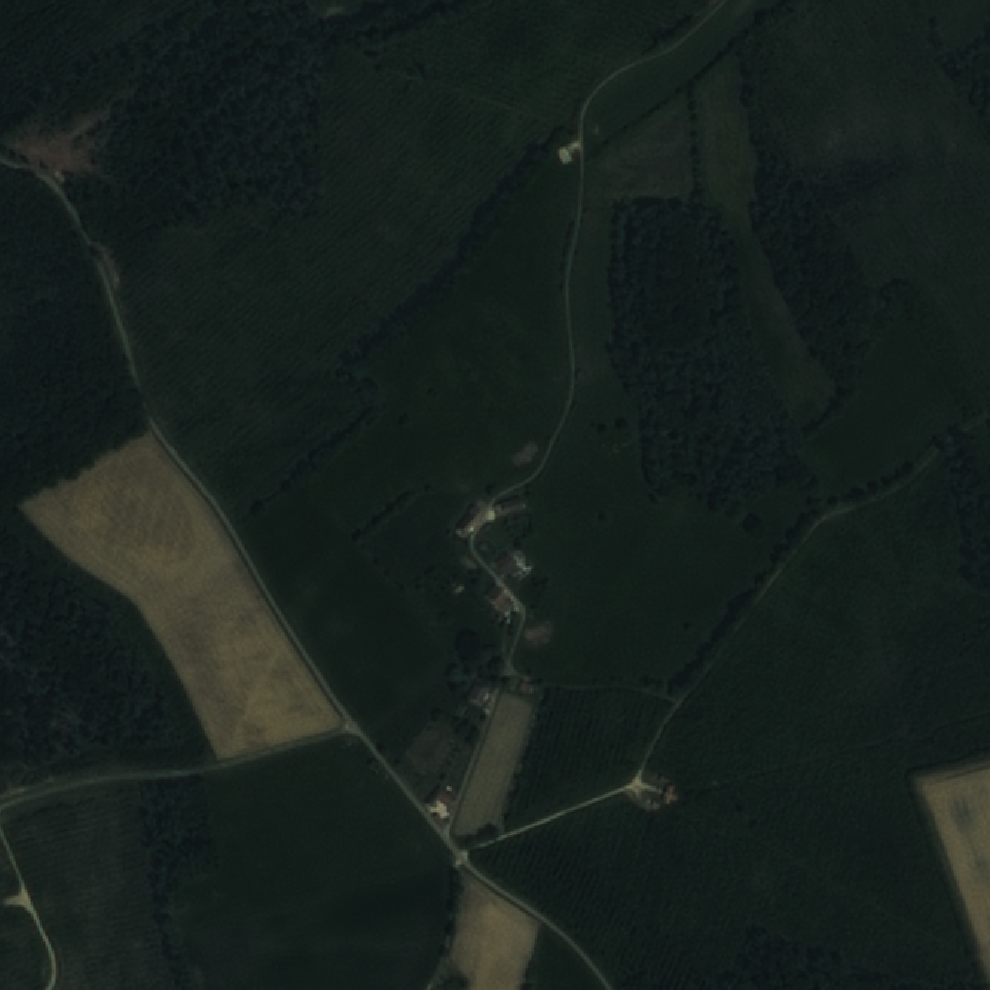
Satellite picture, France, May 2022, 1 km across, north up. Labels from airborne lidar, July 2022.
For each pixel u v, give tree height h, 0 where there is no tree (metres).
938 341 9
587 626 0
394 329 25
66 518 0
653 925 7
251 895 0
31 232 20
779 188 23
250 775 0
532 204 0
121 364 16
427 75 24
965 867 0
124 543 0
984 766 0
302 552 0
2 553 23
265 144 30
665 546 0
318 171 7
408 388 0
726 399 27
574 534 0
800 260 15
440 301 24
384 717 0
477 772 0
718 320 26
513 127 0
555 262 0
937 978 6
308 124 25
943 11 0
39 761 20
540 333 0
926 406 0
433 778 0
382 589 0
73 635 25
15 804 0
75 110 8
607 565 0
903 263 7
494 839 15
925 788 0
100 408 23
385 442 0
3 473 32
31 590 26
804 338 18
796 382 0
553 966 0
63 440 27
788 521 0
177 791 22
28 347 20
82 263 16
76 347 18
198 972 0
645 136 0
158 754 7
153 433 0
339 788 0
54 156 0
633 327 20
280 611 0
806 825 6
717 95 0
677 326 27
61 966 0
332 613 0
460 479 0
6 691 28
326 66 28
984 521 29
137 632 7
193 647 0
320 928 0
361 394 28
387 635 0
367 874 0
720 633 11
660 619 0
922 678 9
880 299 24
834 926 6
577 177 0
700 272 25
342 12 0
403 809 0
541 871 6
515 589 0
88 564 0
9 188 16
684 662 0
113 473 0
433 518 0
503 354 0
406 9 26
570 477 0
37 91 8
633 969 6
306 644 0
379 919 0
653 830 6
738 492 23
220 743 0
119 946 0
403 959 0
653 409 20
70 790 0
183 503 0
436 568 7
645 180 0
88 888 0
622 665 0
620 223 13
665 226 27
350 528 0
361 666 0
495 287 0
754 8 0
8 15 6
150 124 16
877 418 0
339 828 0
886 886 6
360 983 0
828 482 0
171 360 6
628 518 0
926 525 7
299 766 0
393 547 0
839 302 30
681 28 21
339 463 0
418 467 0
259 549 0
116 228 7
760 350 15
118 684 27
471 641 17
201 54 26
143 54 6
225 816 0
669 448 27
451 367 0
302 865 0
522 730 0
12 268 18
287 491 10
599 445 0
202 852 27
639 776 0
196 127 9
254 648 0
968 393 9
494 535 0
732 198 0
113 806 0
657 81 0
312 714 0
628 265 19
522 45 5
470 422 0
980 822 0
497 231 16
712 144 0
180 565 0
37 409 17
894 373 0
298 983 0
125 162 8
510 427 0
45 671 16
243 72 25
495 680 12
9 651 26
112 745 20
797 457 22
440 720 12
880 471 0
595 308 0
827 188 6
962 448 26
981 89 17
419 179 0
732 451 9
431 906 0
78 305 15
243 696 0
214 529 0
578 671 0
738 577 0
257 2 22
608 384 0
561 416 0
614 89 0
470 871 0
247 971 0
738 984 23
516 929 0
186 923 0
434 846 0
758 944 23
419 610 0
